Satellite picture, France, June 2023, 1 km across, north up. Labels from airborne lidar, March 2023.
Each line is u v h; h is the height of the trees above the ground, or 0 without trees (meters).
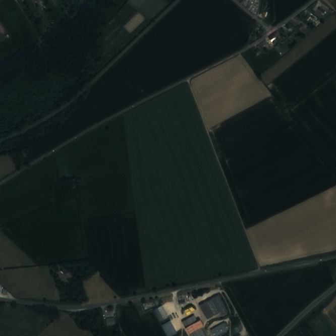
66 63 27
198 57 0
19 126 19
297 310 0
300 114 0
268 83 0
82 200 0
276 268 0
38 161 0
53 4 0
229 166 0
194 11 0
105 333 0
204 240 0
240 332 0
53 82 10
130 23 0
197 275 0
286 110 0
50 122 8
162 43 0
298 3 0
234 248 0
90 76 13
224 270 0
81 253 0
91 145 0
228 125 0
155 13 0
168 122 0
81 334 0
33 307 9
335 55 0
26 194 0
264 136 0
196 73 0
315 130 0
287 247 0
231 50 0
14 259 0
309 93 0
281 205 0
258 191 0
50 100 8
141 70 0
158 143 0
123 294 0
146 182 0
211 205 0
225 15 0
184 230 0
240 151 0
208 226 0
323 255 0
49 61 33
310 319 0
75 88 16
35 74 33
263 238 0
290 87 0
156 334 0
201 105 0
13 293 0
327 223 0
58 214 0
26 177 0
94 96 0
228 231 0
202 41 0
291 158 0
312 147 0
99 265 0
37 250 0
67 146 0
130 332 0
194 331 0
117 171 0
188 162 0
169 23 0
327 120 0
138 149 0
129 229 0
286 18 0
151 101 0
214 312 0
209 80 0
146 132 0
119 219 0
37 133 15
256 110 0
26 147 14
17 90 8
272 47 0
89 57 10
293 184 0
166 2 0
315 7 0
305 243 0
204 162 0
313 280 0
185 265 0
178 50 0
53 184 0
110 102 0
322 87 0
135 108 0
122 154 0
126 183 0
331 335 0
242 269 0
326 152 0
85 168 0
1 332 0
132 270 0
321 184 0
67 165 0
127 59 0
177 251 0
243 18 0
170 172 0
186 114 0
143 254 0
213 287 0
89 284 0
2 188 0
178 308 0
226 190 0
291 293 0
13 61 30
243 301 0
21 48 0
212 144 0
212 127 0
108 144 0
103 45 0
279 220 0
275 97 0
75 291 22
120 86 0
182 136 0
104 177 0
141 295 0
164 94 0
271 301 0
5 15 0
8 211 0
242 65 0
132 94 0
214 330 0
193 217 0
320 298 0
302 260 0
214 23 0
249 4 0
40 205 0
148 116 0
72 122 0
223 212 0
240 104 0
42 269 0
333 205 0
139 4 0
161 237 0
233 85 0
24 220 0
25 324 0
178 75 0
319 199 0
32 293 0
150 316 0
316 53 0
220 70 0
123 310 0
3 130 6
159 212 0
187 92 0
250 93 0
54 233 0
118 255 0
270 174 0
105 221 0
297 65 0
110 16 0
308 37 0
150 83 0
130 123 0
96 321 19
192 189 0
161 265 0
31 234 0
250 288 0
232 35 0
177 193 0
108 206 0
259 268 0
